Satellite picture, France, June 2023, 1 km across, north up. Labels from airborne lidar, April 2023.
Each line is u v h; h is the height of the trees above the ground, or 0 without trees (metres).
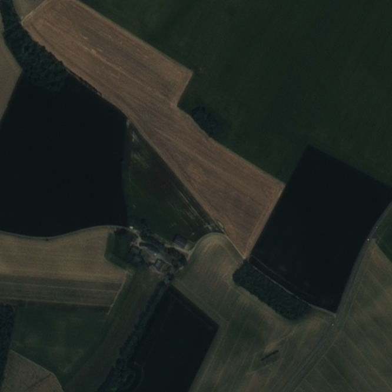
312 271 0
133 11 0
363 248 0
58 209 0
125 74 0
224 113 0
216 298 0
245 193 0
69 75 0
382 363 0
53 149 0
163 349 0
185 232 0
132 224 0
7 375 0
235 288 0
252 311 0
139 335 12
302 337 0
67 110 0
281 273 0
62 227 0
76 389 0
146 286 0
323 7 0
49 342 0
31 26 0
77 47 0
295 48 0
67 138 0
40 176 0
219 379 0
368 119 0
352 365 0
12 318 17
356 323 0
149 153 0
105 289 0
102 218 0
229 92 0
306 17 0
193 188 0
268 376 0
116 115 0
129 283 0
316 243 0
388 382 0
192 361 0
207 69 0
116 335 0
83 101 0
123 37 0
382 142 0
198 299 0
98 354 0
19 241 0
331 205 0
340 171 0
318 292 0
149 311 15
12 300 0
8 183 0
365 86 0
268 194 0
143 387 0
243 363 0
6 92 0
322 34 0
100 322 0
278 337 0
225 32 0
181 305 0
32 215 0
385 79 0
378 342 0
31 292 0
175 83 0
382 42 0
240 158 0
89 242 0
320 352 0
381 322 0
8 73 0
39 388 0
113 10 0
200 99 0
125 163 0
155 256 0
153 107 0
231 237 0
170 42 0
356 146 0
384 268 0
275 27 0
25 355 0
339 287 0
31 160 0
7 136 0
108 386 20
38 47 18
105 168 0
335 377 0
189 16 0
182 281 0
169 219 0
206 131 12
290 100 0
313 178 0
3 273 0
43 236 0
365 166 0
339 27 0
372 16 0
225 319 0
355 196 0
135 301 0
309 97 0
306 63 0
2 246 0
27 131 0
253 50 0
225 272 0
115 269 0
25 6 0
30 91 0
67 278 0
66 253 0
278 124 0
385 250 0
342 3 0
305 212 0
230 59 0
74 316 0
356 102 0
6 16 15
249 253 0
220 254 0
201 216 0
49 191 0
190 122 0
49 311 0
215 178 0
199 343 0
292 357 0
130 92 0
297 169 0
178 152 0
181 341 0
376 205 0
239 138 0
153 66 0
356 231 0
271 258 0
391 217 0
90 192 0
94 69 0
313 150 0
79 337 0
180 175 0
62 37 0
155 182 0
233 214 0
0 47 0
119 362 15
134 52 0
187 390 0
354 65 0
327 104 0
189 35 0
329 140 0
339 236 0
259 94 0
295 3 0
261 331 0
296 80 0
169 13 0
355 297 0
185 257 17
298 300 11
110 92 0
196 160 0
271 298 14
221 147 0
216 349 0
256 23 0
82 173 0
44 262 0
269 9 0
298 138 0
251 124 0
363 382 0
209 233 0
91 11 0
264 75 0
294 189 0
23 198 0
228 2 0
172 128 0
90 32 0
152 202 0
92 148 0
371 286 0
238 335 0
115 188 0
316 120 0
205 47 0
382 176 0
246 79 0
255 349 0
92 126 0
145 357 0
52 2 0
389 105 0
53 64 15
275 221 0
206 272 0
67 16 0
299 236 0
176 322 0
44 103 0
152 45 0
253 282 14
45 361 0
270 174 0
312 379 0
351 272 0
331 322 0
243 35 0
